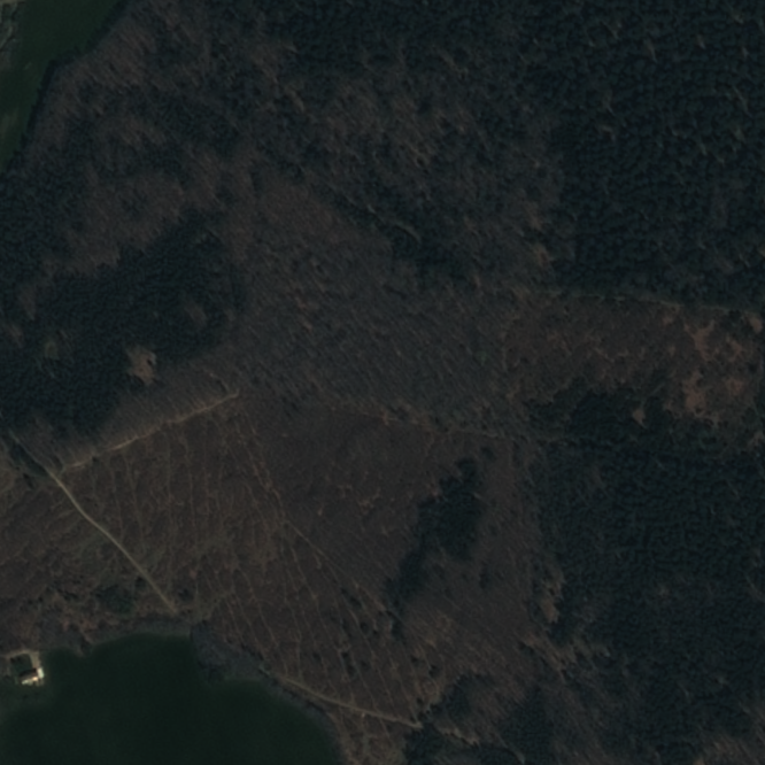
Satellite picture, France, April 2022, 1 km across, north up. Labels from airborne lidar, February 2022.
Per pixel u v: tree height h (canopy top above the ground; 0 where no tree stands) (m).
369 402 30
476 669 21
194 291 19
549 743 25
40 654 0
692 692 28
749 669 32
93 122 23
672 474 31
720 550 29
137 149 22
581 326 7
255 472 8
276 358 29
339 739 17
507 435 27
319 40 32
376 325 28
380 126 27
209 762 0
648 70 30
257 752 0
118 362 25
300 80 34
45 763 0
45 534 10
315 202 25
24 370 27
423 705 15
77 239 22
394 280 32
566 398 9
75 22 0
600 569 28
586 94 32
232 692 0
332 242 24
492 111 34
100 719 0
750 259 24
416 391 30
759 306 29
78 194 25
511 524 13
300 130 34
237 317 23
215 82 27
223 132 25
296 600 9
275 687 24
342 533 17
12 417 27
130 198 24
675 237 28
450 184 30
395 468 8
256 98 28
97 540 0
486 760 25
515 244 30
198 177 25
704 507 29
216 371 25
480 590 16
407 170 29
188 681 0
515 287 32
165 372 22
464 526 23
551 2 20
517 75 24
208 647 28
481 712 24
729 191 27
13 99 0
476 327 28
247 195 25
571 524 29
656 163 29
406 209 34
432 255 25
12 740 0
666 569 31
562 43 31
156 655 0
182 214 25
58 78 26
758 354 6
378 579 19
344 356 31
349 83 26
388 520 7
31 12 0
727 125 35
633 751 30
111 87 25
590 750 30
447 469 10
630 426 12
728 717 34
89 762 0
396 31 29
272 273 28
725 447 6
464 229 27
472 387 29
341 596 8
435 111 28
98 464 14
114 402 28
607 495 17
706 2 36
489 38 26
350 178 31
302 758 0
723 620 31
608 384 7
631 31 8
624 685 29
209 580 7
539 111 28
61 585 9
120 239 23
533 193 26
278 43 35
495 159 29
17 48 6
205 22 30
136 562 0
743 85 32
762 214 11
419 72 34
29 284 31
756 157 33
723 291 33
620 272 13
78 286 25
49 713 0
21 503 6
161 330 22
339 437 9
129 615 10
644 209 34
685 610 32
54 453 24
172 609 0
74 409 23
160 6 33
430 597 19
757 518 30
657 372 7
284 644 6
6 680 7
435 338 28
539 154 26
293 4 32
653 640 30
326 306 26
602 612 25
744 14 36
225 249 23
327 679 7
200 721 0
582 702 27
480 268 26
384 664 7
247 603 6
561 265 7
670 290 28
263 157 22
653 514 29
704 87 32
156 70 29
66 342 23
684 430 24
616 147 32
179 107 25
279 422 15
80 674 0
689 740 32
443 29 31
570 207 31
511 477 14
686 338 8
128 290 21
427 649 9
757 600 27
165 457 0
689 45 35
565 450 20
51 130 29
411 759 12
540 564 25
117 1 0
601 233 28
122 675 0
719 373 6
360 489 9
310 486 10
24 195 25
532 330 8
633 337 7
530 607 12
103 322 22
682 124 18
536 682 16
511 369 7
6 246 30
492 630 15
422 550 15
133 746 0
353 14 31
